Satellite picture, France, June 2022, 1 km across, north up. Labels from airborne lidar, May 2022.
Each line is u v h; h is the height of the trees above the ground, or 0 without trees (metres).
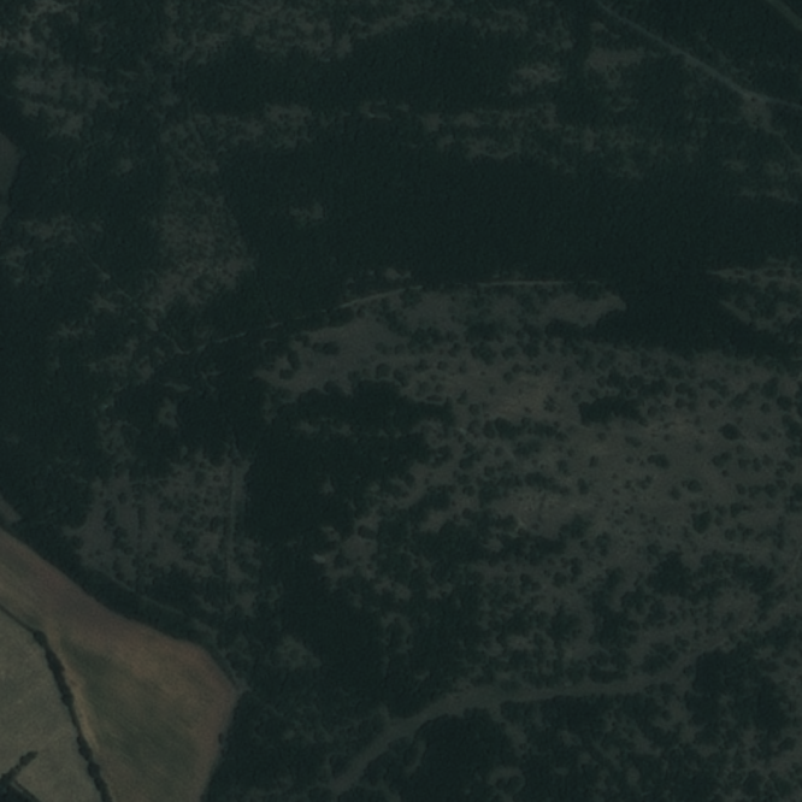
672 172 6
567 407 0
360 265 10
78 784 0
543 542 8
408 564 8
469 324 7
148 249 9
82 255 8
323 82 9
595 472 0
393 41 10
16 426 9
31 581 0
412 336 6
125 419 10
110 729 0
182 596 10
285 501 13
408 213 11
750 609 0
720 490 0
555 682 7
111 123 11
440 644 9
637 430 0
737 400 6
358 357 0
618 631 8
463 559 8
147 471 8
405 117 8
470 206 10
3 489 15
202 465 9
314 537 13
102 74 8
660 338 8
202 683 0
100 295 8
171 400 9
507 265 9
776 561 6
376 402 13
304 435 7
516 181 11
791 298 7
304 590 11
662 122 6
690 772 8
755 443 0
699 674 7
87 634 0
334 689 7
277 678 8
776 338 8
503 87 8
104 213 9
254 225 12
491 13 9
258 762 10
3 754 0
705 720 6
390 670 10
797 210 9
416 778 9
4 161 0
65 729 0
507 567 7
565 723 8
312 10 7
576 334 8
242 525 8
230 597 8
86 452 11
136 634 0
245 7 6
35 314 10
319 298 11
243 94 12
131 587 9
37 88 0
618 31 9
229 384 12
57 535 8
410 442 10
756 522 0
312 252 10
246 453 11
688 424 0
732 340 11
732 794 6
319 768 7
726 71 8
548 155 6
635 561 0
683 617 7
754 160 6
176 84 12
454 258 9
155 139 11
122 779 0
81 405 11
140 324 8
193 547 9
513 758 11
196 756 0
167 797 0
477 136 6
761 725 10
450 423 7
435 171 10
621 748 8
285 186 10
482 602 6
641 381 8
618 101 7
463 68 9
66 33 11
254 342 9
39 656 0
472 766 11
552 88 7
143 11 10
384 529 9
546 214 11
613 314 9
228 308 7
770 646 7
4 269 7
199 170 8
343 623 11
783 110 10
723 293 10
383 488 8
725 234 10
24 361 11
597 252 11
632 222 14
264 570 8
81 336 7
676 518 0
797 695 0
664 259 13
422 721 0
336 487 10
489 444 0
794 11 10
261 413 10
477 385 0
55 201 11
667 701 7
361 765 0
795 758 0
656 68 6
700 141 7
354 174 11
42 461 8
